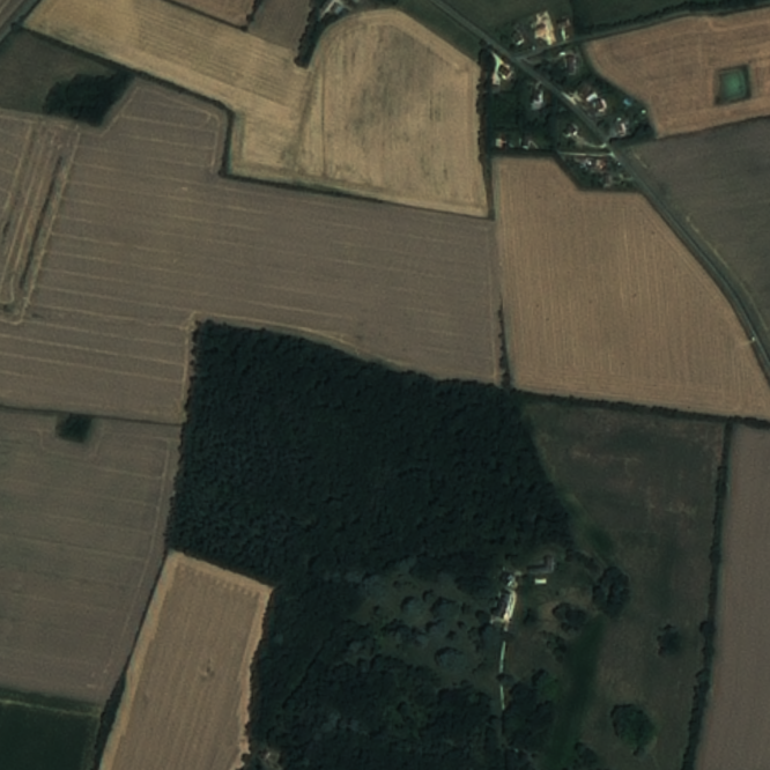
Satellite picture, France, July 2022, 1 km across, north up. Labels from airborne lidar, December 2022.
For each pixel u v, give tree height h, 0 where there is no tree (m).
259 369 25
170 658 0
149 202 0
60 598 0
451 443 23
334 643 23
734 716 0
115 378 0
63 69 0
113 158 0
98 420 0
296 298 0
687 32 0
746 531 0
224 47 0
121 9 0
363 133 0
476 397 24
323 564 25
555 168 0
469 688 11
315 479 25
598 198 0
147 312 0
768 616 0
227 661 0
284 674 20
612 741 0
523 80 6
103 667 0
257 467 26
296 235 0
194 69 0
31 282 0
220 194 0
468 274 0
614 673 0
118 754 0
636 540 0
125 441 0
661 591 0
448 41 0
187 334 0
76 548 0
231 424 21
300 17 0
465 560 19
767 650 0
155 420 0
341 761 25
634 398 0
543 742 16
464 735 22
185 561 0
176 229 0
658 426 0
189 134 0
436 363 0
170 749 0
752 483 0
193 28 0
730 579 0
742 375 0
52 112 8
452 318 0
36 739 0
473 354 0
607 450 0
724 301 0
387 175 0
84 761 0
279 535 23
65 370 0
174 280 0
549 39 0
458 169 0
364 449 17
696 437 0
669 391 0
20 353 0
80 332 0
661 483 0
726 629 0
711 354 0
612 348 0
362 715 22
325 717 21
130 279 0
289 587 12
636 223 0
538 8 0
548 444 0
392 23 0
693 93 0
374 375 22
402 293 0
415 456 23
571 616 14
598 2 0
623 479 0
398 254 0
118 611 0
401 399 21
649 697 0
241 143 0
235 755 0
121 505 0
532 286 0
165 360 0
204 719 0
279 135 0
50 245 0
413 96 0
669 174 0
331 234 0
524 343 0
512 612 0
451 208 0
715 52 0
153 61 0
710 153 0
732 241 0
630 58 0
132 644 0
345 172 0
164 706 0
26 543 0
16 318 0
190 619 0
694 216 0
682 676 0
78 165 0
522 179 0
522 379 0
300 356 25
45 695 0
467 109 0
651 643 0
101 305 0
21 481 0
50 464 0
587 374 0
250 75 0
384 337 0
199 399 15
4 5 0
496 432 23
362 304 0
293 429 24
